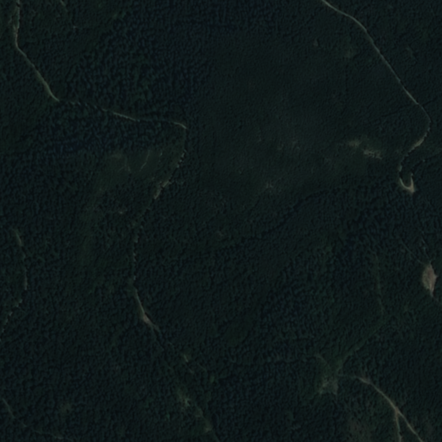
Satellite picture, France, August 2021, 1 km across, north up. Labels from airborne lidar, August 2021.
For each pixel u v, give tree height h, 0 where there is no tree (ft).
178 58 107
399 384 68
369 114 58
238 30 80
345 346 41
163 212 110
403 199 91
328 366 30
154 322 112
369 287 68
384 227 32
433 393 49
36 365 65
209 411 39
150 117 31
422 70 64
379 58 41
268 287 99
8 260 68
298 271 105
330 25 84
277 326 75
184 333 90
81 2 69
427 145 25
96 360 42
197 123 70
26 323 69
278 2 74
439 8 75
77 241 23
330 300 91
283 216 56
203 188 63
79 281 50
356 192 30
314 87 53
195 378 51
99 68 67
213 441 47
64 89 82
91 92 28
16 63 80
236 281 75
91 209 36
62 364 71
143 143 45
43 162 22
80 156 88
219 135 52
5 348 63
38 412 94
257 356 53
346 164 21
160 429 70
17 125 88
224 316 53
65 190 105
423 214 92
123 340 83
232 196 70
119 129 76
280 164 48
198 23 52
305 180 45
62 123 68
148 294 38
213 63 73
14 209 59
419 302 33
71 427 66
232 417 80
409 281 31
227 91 75
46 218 76
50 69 84
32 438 65
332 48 38
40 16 65
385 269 20
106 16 70
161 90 59
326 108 68
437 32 41
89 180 55
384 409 27
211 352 58
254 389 62
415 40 73
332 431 81
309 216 102
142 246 70
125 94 68
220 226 75
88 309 69
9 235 114
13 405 81
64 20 75
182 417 87
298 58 68
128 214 61
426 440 31
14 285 43
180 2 96
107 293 100
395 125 67
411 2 81
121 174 20
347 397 57
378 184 36
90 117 23
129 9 76
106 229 91
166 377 31
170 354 78
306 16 72
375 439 33
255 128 55
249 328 72
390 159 48
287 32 83
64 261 73
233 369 64
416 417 52
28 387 94
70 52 79
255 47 74
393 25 41
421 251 71
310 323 76
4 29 19
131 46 25
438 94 45
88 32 84
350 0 81
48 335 118
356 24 73
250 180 43
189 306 82
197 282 78
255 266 89
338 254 23
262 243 114
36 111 84
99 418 44
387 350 31
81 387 70
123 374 85
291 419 46
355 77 65
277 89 54
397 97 69
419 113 70
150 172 19
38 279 67
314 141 35
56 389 73
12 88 48
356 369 45
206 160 66
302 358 55
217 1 102
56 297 40
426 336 52
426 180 99
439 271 64
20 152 86
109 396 82
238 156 44
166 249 49
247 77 73
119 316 90
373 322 57
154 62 37
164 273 57
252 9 93
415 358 71
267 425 46
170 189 39
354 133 53
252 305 68
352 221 37
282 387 60
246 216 69
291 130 46
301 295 87
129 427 42
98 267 77
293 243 93
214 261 100
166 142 22
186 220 65
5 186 69
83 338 81
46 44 75
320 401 22
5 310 92
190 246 56
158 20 64
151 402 100
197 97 92
